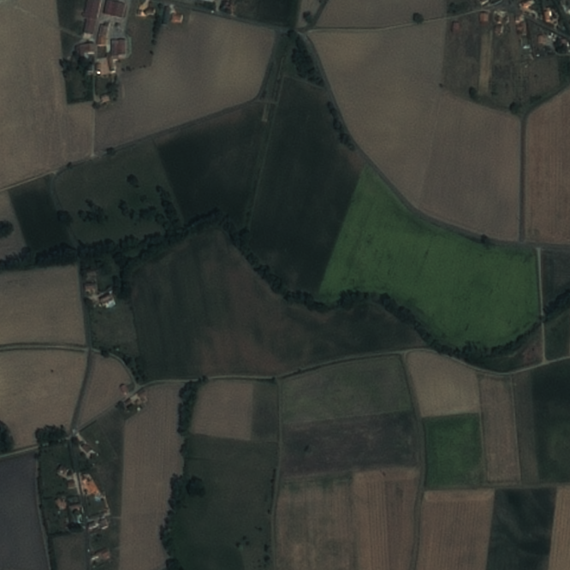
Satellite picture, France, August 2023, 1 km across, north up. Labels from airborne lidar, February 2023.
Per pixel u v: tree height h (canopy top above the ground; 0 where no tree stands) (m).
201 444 0
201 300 0
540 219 0
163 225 23
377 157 0
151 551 0
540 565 0
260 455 0
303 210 0
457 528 0
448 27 0
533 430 0
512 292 0
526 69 0
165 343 0
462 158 0
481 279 0
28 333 0
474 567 0
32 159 0
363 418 0
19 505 0
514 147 0
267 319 0
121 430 0
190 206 0
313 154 0
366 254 0
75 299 0
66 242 0
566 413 0
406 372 0
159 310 0
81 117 0
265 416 0
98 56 0
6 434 18
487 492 0
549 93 0
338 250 0
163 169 0
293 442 0
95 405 0
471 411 0
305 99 0
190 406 14
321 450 0
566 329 0
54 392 0
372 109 0
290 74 0
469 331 0
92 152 0
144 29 0
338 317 0
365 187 0
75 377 0
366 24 0
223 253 0
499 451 0
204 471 0
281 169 0
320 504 0
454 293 0
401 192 0
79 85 0
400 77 0
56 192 0
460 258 0
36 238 0
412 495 0
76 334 0
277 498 0
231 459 0
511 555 0
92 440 0
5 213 0
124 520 0
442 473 0
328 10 0
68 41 0
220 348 0
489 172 0
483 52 0
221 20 0
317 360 0
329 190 0
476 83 0
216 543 0
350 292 0
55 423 0
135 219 20
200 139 0
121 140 0
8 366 0
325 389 0
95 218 17
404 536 0
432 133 0
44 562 0
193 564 0
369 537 0
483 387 0
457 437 0
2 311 0
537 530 0
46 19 0
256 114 0
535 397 0
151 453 0
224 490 0
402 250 0
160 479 0
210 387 0
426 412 0
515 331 0
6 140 0
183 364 0
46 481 0
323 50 0
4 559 0
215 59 0
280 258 0
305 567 0
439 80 0
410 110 0
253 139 0
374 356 0
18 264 26
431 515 0
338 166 0
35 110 0
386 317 0
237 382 0
